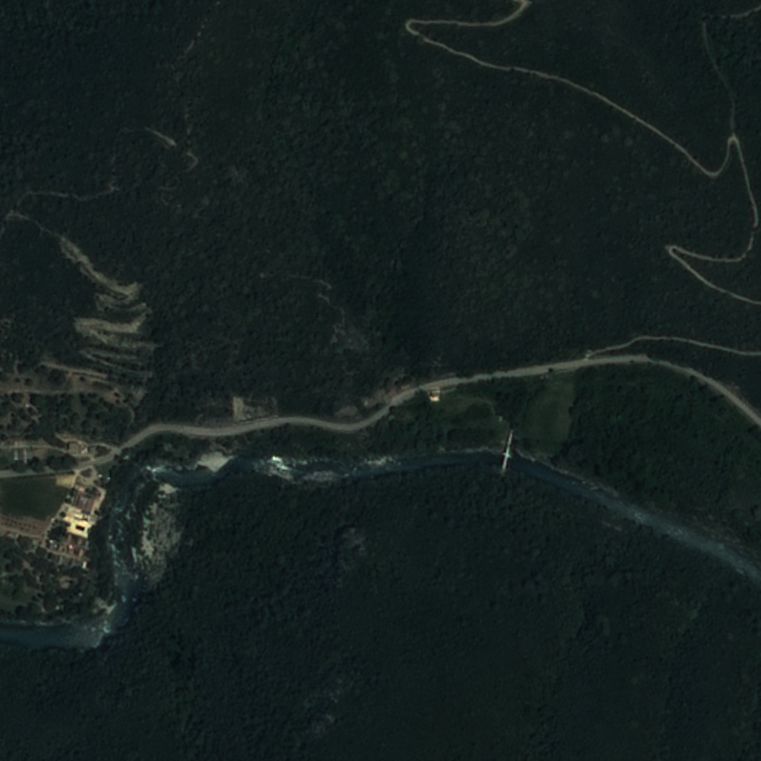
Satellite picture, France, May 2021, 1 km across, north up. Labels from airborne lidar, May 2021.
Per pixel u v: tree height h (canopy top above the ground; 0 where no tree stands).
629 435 13
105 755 9
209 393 10
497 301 6
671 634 9
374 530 8
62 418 12
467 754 9
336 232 12
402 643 8
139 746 13
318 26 16
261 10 11
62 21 11
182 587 13
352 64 6
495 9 7
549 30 6
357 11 6
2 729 7
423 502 7
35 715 7
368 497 10
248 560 10
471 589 7
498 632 8
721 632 10
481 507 11
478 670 8
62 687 9
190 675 9
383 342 15
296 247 10
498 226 12
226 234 12
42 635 0
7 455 0
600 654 8
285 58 18
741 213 8
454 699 8
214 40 10
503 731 9
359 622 7
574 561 8
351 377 9
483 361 12
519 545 9
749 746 11
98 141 8
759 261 7
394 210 6
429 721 6
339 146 11
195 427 0
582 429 10
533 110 6
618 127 10
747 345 12
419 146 9
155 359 11
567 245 6
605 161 7
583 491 0
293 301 12
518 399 15
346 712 9
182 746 9
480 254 6
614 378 8
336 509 11
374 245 8
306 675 8
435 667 9
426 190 7
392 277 15
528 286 9
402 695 7
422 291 10
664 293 6
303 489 7
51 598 13
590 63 5
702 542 0
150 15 11
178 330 6
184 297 11
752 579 8
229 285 12
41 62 10
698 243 6
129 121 6
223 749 9
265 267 15
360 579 8
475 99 6
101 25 17
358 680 10
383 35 13
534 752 10
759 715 12
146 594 16
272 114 15
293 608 12
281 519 9
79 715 11
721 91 9
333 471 0
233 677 10
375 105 10
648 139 6
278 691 12
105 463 0
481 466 13
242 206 11
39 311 6
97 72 9
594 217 7
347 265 10
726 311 10
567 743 10
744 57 15
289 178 11
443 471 14
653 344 6
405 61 8
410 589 5
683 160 10
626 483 8
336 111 10
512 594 8
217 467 0
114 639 11
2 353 11
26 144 14
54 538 7
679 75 9
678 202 11
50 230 7
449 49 6
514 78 10
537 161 6
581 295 12
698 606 10
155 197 10
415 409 7
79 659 22
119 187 9
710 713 11
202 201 10
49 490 0
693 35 10
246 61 6
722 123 7
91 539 9
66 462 18
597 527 8
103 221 6
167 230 7
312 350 12
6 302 8
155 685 11
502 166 11
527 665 8
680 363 13
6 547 12
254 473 8
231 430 0
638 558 7
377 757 9
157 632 9
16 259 12
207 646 8
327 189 9
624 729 8
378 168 9
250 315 13
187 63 6
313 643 16
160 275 12
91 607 10
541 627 10
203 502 8
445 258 8
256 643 10
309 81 7
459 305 12
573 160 6
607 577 6
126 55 8
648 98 5
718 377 8
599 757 7
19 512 0
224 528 11
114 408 10
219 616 6
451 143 11
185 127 13
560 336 8
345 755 7
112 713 7
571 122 5
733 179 6
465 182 6
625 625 8
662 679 13
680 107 6
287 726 15
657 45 10
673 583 9
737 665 8
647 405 11
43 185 8
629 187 7
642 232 9
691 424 9
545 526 10
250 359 14
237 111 7
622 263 6
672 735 12
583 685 9
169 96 6
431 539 11
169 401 13
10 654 8
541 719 10
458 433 13
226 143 8
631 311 10
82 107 7
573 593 8
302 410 6
